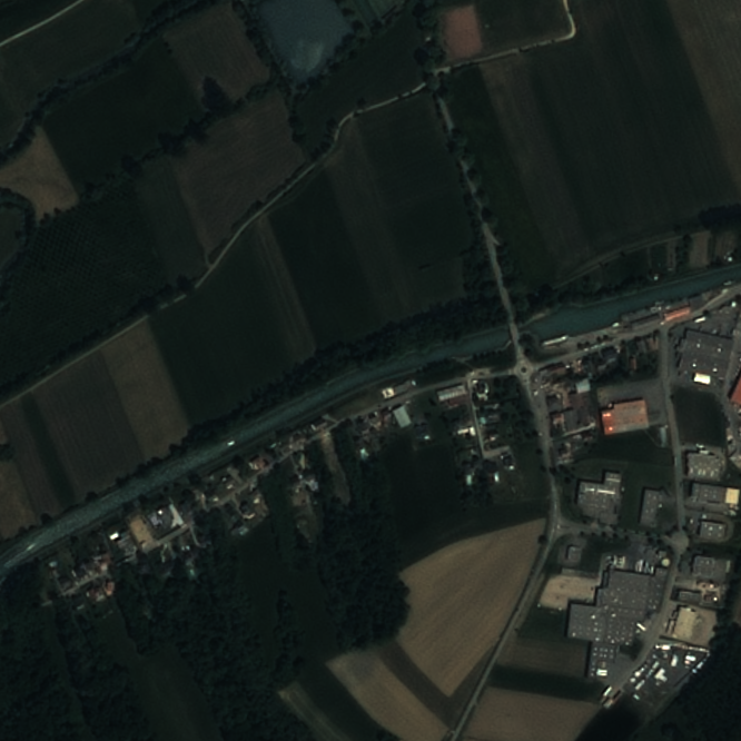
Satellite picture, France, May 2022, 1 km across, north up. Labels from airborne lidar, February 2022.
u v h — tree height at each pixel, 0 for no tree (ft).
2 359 0
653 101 0
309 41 0
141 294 0
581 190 0
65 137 0
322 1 0
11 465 0
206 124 23
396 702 0
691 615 0
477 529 0
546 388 0
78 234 0
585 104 0
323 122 0
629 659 0
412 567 0
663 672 0
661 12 0
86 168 0
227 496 0
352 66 0
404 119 0
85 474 0
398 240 0
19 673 70
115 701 79
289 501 0
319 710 0
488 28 0
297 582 0
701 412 0
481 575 0
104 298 0
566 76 0
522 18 0
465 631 0
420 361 0
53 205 0
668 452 0
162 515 0
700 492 0
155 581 54
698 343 0
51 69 0
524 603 0
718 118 0
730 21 0
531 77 0
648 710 0
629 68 0
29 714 91
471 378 0
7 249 0
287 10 0
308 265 0
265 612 0
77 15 0
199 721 0
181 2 45
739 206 0
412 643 0
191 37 0
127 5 0
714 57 0
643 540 0
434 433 0
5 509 0
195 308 0
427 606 0
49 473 0
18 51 0
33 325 0
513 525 0
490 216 69
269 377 0
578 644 0
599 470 0
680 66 0
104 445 0
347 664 0
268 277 0
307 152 0
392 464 0
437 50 45
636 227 0
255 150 0
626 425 0
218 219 0
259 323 0
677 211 0
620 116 0
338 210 0
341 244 0
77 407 0
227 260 0
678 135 0
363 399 0
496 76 0
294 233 0
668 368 0
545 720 0
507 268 64
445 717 0
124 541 0
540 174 0
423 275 0
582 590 0
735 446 0
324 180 0
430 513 0
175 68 0
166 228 0
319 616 0
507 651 0
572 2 0
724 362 0
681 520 0
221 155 0
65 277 0
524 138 0
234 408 0
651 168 0
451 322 86
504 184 0
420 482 0
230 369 0
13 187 0
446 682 0
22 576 52
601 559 0
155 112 0
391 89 0
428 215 0
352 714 0
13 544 0
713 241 0
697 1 0
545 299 51
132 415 0
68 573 0
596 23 0
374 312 0
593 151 0
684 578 0
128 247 0
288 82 31
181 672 0
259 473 0
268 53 41
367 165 0
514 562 0
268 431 0
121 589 73
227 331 0
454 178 0
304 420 0
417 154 0
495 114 0
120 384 0
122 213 0
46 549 0
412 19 0
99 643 65
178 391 0
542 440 0
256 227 0
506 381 18
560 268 0
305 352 0
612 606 0
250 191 0
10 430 0
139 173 99
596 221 0
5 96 0
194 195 0
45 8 0
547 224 0
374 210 0
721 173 0
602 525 0
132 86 0
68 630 58
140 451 0
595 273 0
